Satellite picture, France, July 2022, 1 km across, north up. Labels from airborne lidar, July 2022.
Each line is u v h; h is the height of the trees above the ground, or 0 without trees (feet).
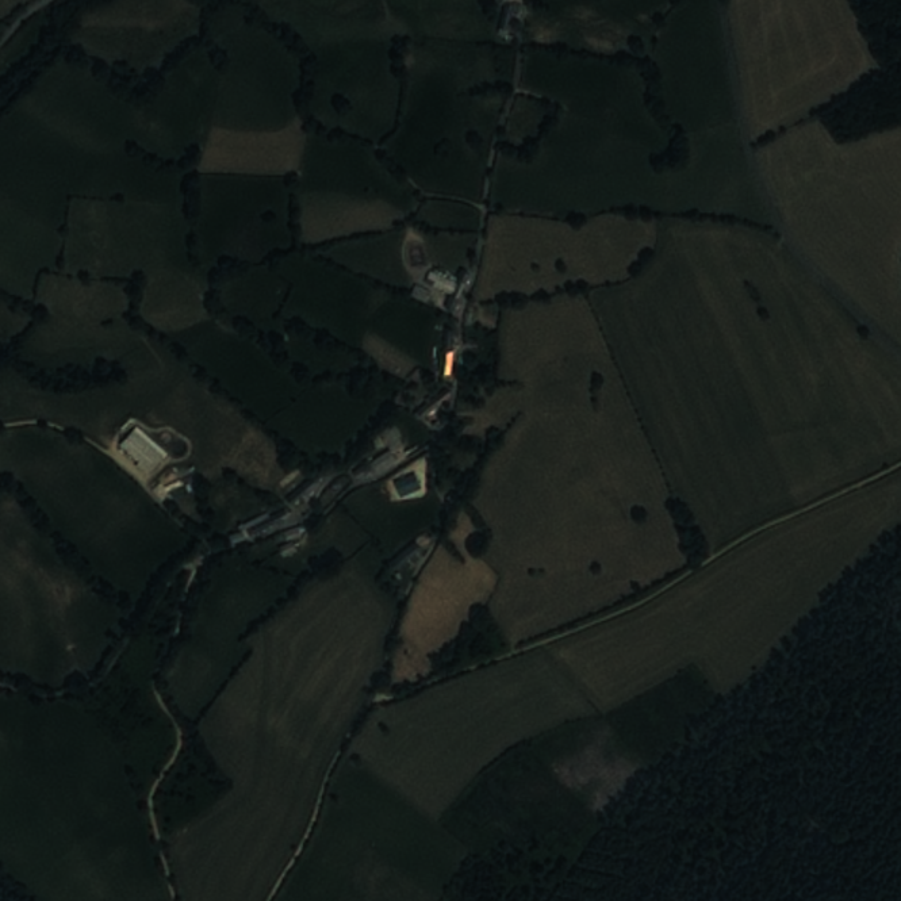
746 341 0
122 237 0
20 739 0
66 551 79
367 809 0
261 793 0
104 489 0
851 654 88
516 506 0
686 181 0
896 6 93
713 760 67
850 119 52
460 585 0
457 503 67
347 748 33
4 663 0
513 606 0
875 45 51
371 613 0
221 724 0
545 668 0
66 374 21
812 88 0
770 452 0
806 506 0
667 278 0
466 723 0
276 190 0
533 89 0
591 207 0
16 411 0
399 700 29
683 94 0
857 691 63
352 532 0
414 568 0
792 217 0
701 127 0
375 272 0
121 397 0
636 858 29
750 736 79
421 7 0
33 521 52
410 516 0
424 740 0
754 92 0
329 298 0
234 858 0
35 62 26
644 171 0
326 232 0
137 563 0
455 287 0
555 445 0
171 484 0
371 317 0
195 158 65
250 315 0
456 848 0
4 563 0
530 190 0
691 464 0
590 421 0
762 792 65
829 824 72
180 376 0
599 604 0
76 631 0
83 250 0
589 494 0
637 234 0
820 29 0
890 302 0
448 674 27
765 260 0
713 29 0
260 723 0
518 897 31
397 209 0
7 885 32
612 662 0
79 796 0
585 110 0
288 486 0
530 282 0
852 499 0
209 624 0
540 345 0
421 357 0
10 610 0
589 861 35
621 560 0
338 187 0
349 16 0
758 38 0
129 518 0
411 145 0
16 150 0
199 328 0
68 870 0
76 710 0
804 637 78
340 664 0
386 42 0
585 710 0
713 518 0
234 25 0
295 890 0
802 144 0
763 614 0
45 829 0
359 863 0
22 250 0
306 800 0
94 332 0
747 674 0
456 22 0
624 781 0
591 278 0
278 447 37
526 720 0
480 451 28
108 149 0
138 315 52
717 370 0
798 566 0
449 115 0
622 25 0
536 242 0
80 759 0
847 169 0
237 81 0
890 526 0
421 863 0
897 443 0
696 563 60
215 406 0
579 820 0
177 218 0
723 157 0
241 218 0
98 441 0
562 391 0
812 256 0
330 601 0
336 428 0
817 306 0
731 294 0
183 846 0
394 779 0
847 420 0
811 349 0
